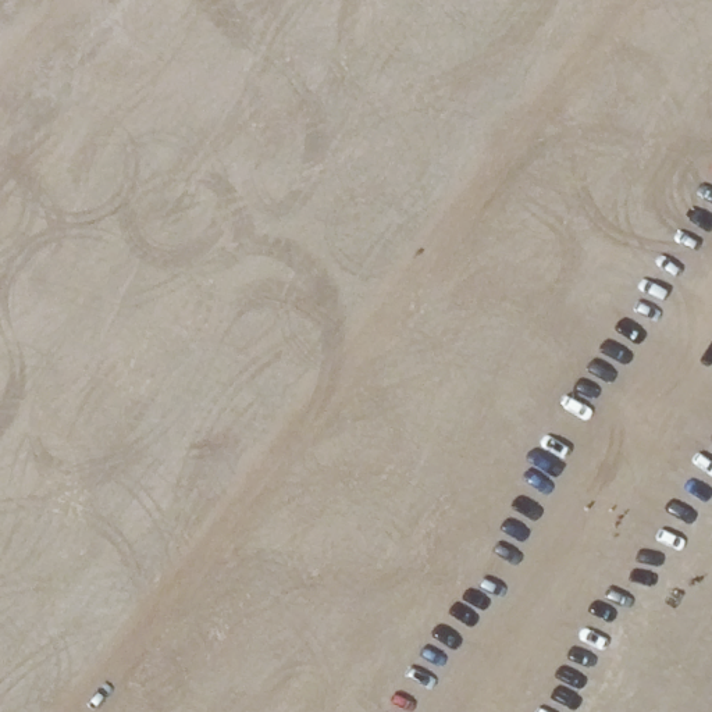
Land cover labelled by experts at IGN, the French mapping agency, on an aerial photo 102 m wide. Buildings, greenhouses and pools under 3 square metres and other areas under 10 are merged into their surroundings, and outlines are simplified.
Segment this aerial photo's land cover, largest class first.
<instances>
[{"label":"bare soil","instance_id":"1","mask_svg":"<svg viewBox=\"0 0 712 712\"><path fill-rule=\"evenodd\" d=\"M0 712H712V0H0Z\"/></svg>","mask_w":712,"mask_h":712}]
</instances>
